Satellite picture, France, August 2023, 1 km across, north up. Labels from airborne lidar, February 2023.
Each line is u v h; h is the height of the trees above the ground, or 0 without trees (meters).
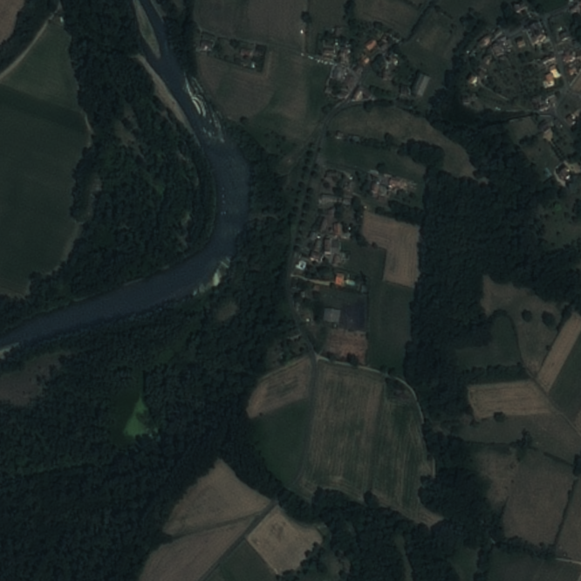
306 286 9
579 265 15
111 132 27
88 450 28
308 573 12
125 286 0
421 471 0
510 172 30
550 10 0
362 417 0
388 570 15
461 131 13
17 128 0
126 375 19
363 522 25
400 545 0
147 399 9
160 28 0
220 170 0
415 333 13
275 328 18
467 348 12
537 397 0
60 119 0
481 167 23
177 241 8
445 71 0
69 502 13
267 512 0
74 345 26
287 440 0
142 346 16
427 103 0
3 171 0
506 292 0
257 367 25
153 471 10
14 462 10
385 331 0
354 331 0
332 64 0
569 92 0
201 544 0
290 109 0
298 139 0
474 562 0
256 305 12
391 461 0
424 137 0
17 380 0
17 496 6
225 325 8
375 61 7
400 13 0
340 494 10
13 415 20
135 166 12
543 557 18
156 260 15
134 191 8
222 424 39
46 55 0
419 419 0
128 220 20
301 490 0
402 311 0
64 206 0
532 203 17
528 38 0
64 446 33
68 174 0
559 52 0
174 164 20
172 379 17
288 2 0
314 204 0
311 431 0
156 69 0
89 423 16
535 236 17
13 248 0
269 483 35
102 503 15
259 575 0
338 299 0
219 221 0
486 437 0
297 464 0
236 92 0
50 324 0
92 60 29
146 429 0
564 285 31
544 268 27
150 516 38
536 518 0
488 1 0
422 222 8
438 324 23
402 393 0
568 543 0
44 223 0
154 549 18
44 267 0
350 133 0
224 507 0
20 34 10
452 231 18
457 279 13
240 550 0
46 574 9
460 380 9
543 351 0
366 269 0
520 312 0
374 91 7
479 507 20
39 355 22
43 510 12
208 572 0
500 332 0
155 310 11
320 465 0
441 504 19
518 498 0
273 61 0
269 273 9
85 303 0
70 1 18
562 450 0
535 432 0
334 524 22
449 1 0
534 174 16
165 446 20
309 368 0
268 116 0
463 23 11
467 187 18
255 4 0
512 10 16
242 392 6
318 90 0
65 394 7
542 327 0
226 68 0
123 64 28
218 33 0
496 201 18
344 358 0
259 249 24
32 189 0
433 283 16
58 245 0
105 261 16
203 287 0
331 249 0
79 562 8
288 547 0
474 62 13
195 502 0
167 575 0
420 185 0
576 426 0
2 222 0
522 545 14
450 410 20
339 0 0
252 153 7
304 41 0
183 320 19
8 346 0
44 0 17
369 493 0
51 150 0
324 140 0
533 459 0
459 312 12
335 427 0
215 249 0
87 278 17
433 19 0
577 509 0
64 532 13
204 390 9
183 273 0
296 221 11
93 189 0
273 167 12
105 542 33
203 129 0
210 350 16
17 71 0
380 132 0
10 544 29
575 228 0
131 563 9
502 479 0
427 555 19
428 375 16
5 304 23
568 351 0
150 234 16
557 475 0
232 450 39
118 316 0
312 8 0
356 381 0
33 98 0
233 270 9
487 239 20
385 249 0
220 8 0
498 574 0
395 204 13
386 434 0
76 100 0
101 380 13
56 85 0
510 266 25
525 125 0
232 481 0
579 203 12
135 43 15
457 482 21
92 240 13
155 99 5
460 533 24
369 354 0
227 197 0
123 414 0
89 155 19
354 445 0
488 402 0
